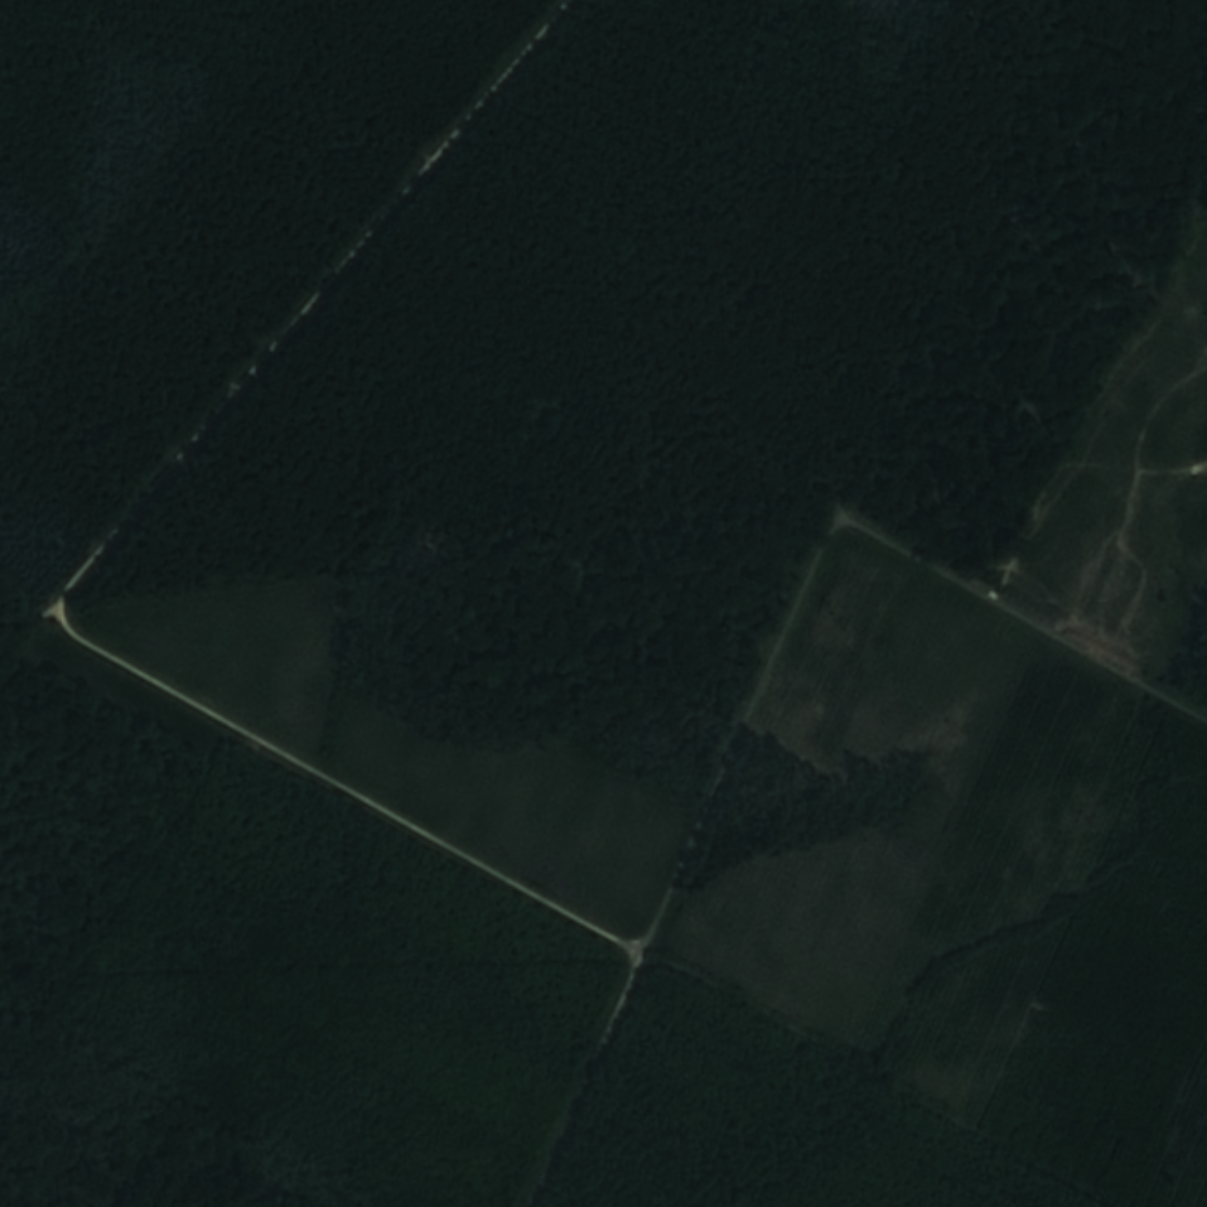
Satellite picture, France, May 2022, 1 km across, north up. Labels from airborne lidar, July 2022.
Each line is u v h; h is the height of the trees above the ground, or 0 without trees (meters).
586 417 17
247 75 22
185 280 23
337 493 16
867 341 22
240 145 24
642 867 0
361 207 21
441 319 18
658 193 18
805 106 18
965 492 30
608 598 30
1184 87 27
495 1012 15
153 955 16
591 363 18
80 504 23
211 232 25
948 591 0
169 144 23
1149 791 8
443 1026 14
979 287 28
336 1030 15
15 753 26
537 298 17
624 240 18
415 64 20
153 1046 18
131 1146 26
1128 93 29
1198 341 0
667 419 18
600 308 18
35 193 22
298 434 22
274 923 16
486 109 13
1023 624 0
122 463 21
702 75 19
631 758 20
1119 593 0
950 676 0
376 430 19
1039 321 25
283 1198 28
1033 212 27
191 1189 30
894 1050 6
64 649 0
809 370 19
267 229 24
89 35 18
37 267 26
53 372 21
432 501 18
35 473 22
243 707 0
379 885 14
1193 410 0
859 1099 20
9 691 27
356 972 14
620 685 26
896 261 25
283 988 14
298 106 25
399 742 0
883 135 19
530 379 20
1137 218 31
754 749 28
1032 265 33
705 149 18
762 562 26
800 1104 20
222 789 11
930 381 29
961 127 24
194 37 20
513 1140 14
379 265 21
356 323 19
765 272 23
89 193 26
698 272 25
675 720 22
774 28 17
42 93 20
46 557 25
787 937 0
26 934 26
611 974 13
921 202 26
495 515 19
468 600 31
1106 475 0
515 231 19
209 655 0
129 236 24
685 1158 17
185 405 21
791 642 0
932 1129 14
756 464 21
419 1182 13
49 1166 28
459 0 18
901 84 20
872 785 15
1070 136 27
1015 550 30
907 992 7
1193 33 29
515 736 16
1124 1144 7
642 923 0
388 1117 14
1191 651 25
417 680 25
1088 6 30
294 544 24
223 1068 15
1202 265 0
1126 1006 6
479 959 8
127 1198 24
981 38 22
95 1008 14
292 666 0
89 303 23
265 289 22
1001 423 28
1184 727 6
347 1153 17
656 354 24
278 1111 16
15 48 21
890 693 0
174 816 16
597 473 22
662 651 25
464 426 18
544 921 15
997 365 29
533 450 16
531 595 30
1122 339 13
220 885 14
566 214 17
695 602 27
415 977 16
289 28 21
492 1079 15
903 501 27
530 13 18
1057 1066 6
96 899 16
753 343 19
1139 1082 6
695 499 22
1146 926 6
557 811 0
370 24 20
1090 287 31
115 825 26
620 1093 20
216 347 25
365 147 22
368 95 21
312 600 0
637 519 17
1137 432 0
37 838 29
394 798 0
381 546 15
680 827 0
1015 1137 6
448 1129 14
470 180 17
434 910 12
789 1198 20
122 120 25
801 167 20
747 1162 18
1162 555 0
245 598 0
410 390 19
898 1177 14
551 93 16
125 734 18
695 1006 18
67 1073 22
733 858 13
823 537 26
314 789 14
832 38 20
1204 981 6
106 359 21
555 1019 16
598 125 17
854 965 0
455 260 22
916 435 26
